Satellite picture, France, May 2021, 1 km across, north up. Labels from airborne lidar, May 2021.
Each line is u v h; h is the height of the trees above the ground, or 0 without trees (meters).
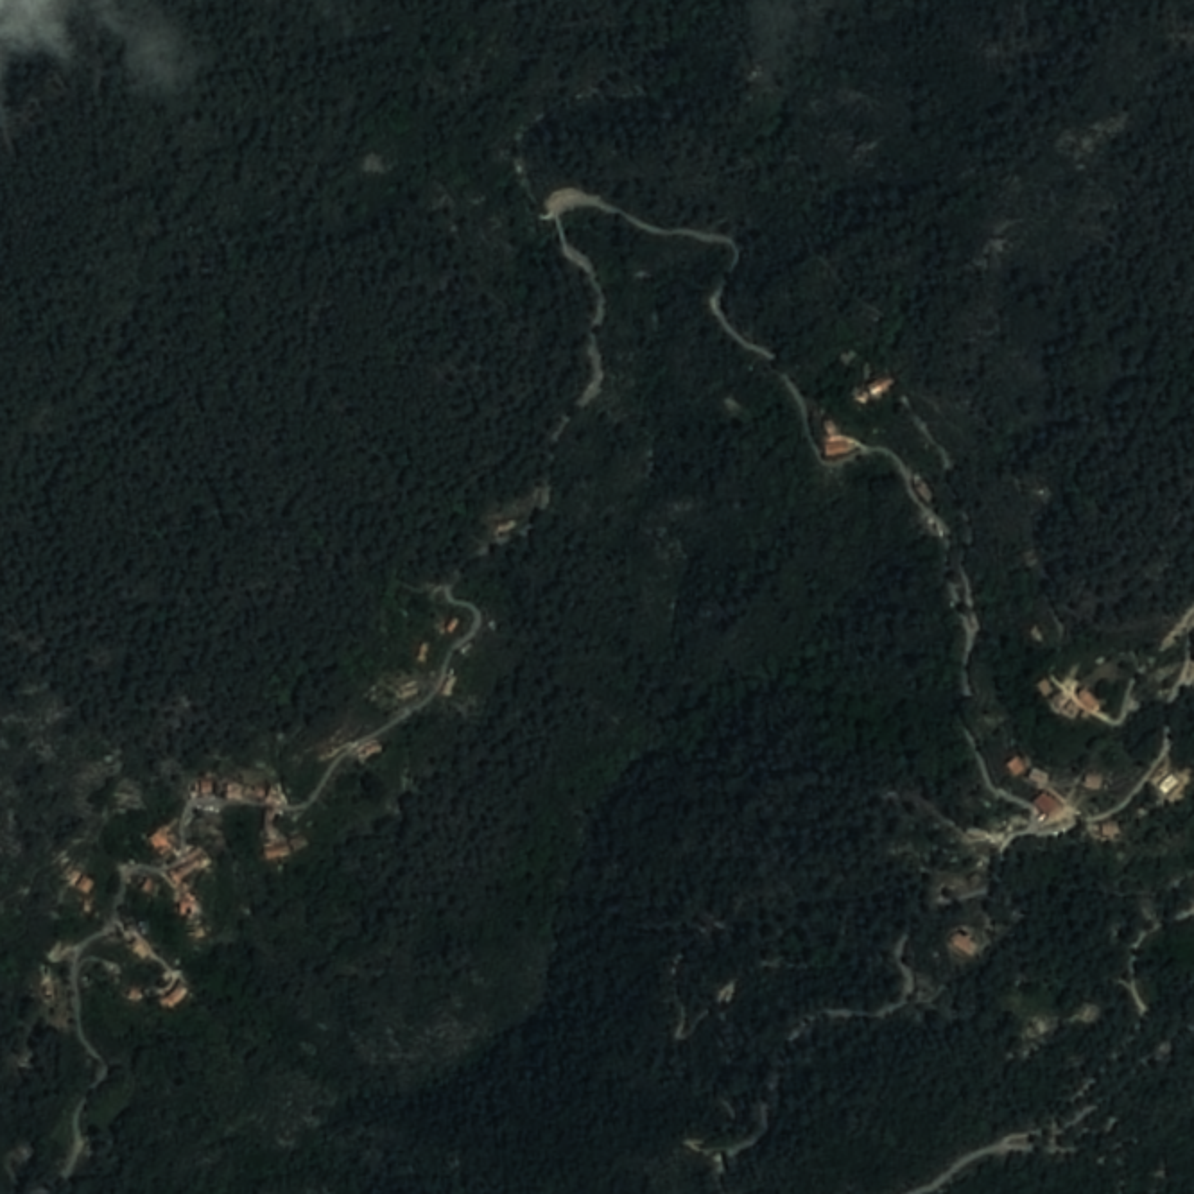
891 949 16
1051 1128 10
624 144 18
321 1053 8
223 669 20
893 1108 10
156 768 16
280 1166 17
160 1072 7
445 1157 9
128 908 8
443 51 22
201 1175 10
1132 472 19
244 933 13
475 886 22
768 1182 10
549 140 20
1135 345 18
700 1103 9
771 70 20
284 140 6
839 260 19
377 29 7
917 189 7
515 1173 7
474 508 21
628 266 20
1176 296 22
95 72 22
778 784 26
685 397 11
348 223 6
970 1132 8
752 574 10
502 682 8
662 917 21
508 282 18
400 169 6
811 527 9
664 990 17
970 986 19
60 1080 11
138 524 22
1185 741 18
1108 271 15
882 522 7
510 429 17
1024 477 19
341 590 21
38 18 19
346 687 21
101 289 17
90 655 17
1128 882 10
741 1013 6
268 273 20
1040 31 18
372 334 23
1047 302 21
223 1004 15
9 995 21
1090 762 10
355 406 24
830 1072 7
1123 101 12
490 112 24
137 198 23
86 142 24
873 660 18
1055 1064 15
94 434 25
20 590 24
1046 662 8
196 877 5
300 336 16
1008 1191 7
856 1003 22
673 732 15
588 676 6
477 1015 7
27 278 22
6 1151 7
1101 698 6
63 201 29
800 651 9
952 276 24
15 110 20
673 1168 13
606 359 7
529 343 21
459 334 7
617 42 18
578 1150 16
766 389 10
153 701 19
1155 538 26
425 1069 12
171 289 21
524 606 19
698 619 10
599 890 8
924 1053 19
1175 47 11
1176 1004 16
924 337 14
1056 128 18
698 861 12
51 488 6
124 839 7
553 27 20
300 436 23
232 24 15
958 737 8
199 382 18
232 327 9
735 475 19
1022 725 13
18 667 19
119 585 22
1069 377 28
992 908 17
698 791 15
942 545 10
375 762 5
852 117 8
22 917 7
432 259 6
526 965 7
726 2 6
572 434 5
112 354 5
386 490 22
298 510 24
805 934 17
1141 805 10
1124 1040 21
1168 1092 18
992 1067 21
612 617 6
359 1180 13
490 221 7
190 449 21
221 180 21
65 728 6
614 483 8
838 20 24
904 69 8
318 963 7
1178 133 20
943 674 9
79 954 0
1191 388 16
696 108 7
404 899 27
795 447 9
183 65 17
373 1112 10
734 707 10
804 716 7
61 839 15
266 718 18
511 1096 15
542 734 23
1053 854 14
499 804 25
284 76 6
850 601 9
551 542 24
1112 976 17
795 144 18
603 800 11
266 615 22
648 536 6
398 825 6
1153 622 20
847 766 14
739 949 20
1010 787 10
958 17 6
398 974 8
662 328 12
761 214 8
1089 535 20
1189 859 7
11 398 22
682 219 17
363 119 20
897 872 15
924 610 9
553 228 10
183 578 21
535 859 21
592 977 15
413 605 6
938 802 24
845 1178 12
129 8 27
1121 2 21
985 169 7
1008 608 9
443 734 7
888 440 7
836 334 12
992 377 14
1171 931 20
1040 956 19
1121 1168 5
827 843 19
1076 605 14
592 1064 12
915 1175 10
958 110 8
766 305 13
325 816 0
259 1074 13
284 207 6
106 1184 12
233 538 23
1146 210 16
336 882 14
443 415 26
